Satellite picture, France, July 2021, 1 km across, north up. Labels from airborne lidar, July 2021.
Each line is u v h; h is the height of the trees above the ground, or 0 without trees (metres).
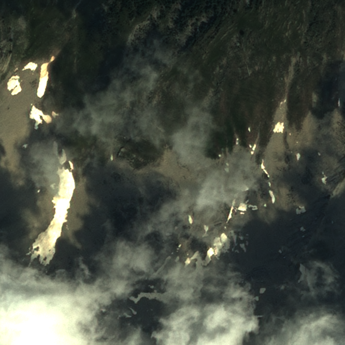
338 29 0
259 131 0
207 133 0
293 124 0
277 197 0
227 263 0
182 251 0
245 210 0
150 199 0
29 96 0
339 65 0
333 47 0
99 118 0
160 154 0
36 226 0
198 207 0
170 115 0
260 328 0
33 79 0
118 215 0
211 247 0
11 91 0
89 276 0
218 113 0
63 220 0
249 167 0
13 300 0
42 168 0
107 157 0
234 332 0
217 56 0
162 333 0
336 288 0
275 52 0
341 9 0
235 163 0
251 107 0
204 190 0
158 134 0
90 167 0
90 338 0
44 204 0
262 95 0
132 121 0
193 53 0
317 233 0
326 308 0
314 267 0
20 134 0
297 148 0
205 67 0
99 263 0
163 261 0
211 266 0
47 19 0
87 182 0
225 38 0
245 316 0
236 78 0
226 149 0
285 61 0
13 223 0
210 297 0
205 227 0
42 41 0
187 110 0
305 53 0
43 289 0
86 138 0
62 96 0
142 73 0
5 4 0
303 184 0
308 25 0
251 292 0
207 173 0
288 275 0
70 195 0
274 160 0
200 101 0
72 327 0
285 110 0
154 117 0
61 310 0
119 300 0
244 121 0
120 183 0
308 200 0
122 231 0
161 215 0
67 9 0
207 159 0
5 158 0
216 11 15
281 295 0
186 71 0
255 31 0
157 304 0
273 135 0
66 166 0
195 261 0
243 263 0
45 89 0
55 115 0
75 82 0
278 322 0
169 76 0
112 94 0
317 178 0
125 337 0
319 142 0
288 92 0
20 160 0
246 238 0
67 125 0
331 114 0
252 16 0
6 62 0
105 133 0
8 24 0
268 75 0
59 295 0
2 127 0
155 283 0
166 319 0
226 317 0
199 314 0
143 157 0
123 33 0
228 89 0
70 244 0
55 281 0
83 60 0
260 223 0
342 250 0
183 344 0
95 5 0
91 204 0
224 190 0
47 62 0
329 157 0
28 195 0
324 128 0
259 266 0
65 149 0
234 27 0
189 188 0
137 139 0
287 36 0
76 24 0
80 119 0
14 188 0
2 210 0
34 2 0
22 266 0
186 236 0
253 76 0
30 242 0
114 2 8
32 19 0
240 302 0
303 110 0
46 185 0
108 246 0
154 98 0
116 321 0
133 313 0
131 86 0
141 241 0
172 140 0
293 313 0
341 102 0
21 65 0
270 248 0
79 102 0
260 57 0
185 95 0
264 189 0
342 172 0
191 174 0
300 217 0
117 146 0
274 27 0
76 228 0
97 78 0
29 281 0
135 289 0
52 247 0
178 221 0
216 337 0
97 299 0
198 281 0
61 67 0
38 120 0
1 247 0
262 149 0
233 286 0
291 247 0
